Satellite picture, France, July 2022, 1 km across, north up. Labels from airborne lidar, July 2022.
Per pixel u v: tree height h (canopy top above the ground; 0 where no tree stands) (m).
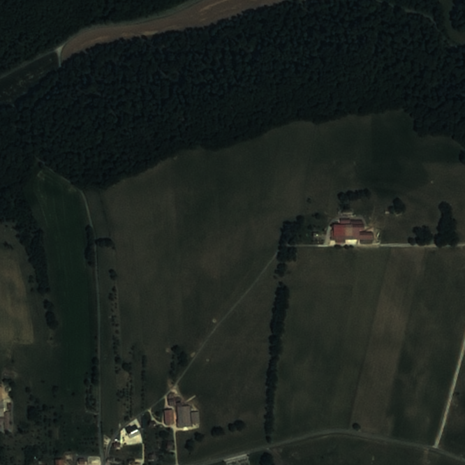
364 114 17
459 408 0
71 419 0
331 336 0
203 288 0
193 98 23
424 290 0
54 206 0
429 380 0
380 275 0
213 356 0
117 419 0
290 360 0
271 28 23
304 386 0
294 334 0
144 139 24
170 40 29
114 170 22
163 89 33
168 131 18
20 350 0
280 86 20
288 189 0
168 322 0
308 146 0
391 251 0
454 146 0
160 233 0
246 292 0
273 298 0
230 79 25
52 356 0
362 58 23
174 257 0
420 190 0
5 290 0
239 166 0
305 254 0
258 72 25
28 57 10
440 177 0
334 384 0
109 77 32
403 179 0
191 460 0
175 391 0
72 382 0
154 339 0
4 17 18
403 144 0
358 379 0
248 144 0
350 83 17
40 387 0
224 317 0
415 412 0
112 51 24
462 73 25
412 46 27
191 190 0
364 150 0
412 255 0
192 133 14
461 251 0
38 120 17
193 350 0
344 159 0
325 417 0
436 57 30
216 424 0
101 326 0
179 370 0
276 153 0
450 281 0
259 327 0
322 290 0
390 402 0
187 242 0
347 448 0
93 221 0
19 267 0
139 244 0
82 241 0
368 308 0
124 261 0
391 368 0
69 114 25
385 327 0
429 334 0
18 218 14
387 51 27
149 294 0
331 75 23
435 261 0
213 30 24
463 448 0
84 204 0
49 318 19
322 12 25
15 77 0
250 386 0
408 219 0
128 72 31
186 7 0
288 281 0
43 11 11
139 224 0
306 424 0
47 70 0
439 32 15
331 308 0
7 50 24
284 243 21
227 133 20
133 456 0
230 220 0
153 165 19
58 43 16
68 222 0
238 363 0
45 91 16
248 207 0
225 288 0
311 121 14
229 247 0
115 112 32
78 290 0
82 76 25
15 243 0
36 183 0
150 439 0
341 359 0
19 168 19
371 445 0
